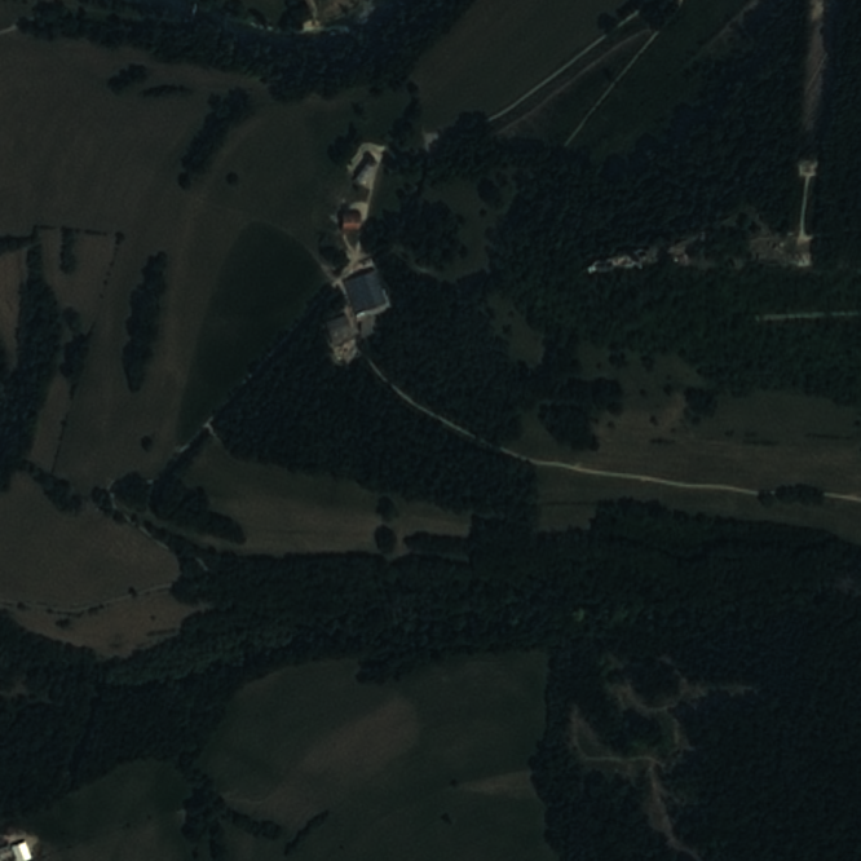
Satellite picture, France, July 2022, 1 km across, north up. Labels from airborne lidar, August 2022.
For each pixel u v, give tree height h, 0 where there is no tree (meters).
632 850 21
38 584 0
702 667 27
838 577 25
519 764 0
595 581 21
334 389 21
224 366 0
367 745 0
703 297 17
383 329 13
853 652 22
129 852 0
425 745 0
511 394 19
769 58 26
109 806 0
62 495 22
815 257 7
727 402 0
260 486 0
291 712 0
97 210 0
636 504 18
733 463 0
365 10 0
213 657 15
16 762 20
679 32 0
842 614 21
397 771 0
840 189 14
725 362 9
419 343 13
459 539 11
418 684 0
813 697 23
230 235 0
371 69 18
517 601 31
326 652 14
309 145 0
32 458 0
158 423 0
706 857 18
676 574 21
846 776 27
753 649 16
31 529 0
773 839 24
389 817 0
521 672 0
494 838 0
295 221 0
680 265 7
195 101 0
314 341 18
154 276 21
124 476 0
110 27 9
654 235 26
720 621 23
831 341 9
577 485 0
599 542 23
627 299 22
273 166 0
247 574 14
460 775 0
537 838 0
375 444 21
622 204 27
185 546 12
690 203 27
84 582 0
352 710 0
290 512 0
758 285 12
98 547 0
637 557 21
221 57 20
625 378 0
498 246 28
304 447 16
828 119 6
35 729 12
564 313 13
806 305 12
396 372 17
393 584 32
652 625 26
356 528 0
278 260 0
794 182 11
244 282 0
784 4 24
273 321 0
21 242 12
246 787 0
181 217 0
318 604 29
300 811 0
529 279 16
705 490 0
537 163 23
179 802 0
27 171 0
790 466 0
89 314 0
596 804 26
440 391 14
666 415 0
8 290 0
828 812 24
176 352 0
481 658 0
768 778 26
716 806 31
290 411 19
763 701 26
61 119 0
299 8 22
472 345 17
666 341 19
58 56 0
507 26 0
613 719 27
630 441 0
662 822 0
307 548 0
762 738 28
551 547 24
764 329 11
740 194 27
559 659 17
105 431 0
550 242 23
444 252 24
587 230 28
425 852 0
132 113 0
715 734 27
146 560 0
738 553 20
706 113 6
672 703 0
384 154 0
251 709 0
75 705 20
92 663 15
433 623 30
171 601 0
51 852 0
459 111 0
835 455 0
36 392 25
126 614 0
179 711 25
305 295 0
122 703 19
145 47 15
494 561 18
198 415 0
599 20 0
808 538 7
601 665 25
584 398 19
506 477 19
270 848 0
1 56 0
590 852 23
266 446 21
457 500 24
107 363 0
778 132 21
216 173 0
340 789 0
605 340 20
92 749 15
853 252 8
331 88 20
